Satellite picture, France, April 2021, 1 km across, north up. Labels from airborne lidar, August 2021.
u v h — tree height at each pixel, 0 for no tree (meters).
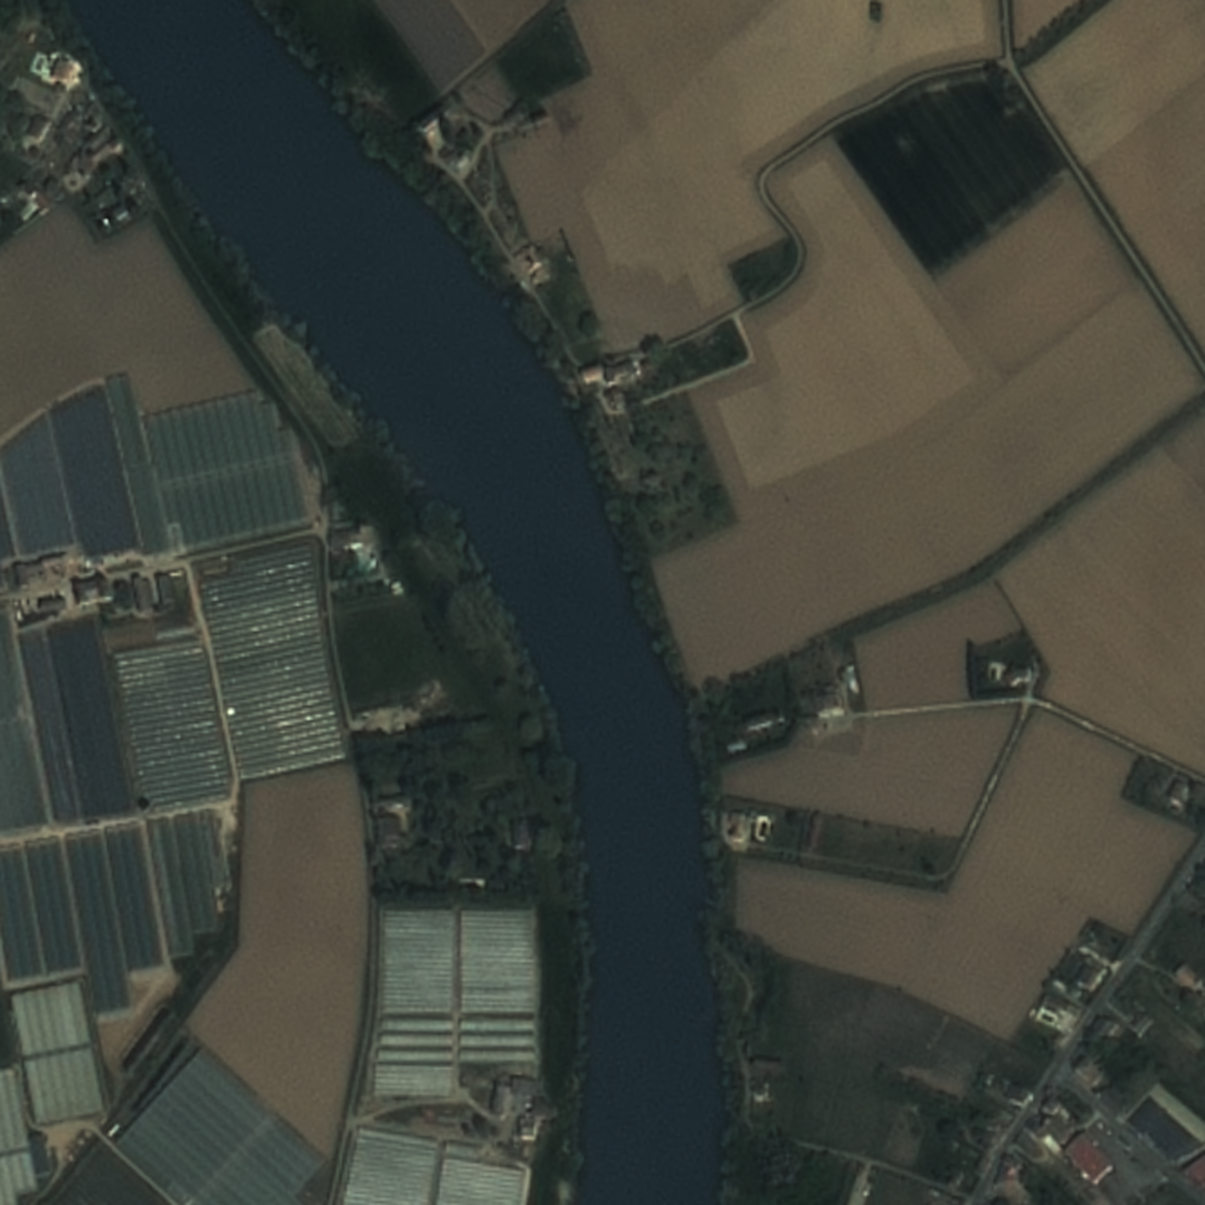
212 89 0
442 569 28
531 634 0
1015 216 0
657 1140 0
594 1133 0
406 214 0
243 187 0
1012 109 0
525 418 0
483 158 0
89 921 0
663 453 14
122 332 0
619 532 8
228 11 0
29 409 0
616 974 0
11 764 0
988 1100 0
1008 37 0
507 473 0
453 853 7
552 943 0
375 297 0
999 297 0
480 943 0
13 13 13
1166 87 0
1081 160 0
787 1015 0
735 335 0
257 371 0
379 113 8
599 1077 0
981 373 0
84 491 0
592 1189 0
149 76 0
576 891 14
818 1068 0
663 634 13
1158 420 0
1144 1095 0
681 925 0
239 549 0
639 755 0
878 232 0
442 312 0
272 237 0
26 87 0
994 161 0
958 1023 0
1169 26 0
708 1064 0
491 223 0
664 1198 0
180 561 0
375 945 0
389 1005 0
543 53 0
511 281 6
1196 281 0
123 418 0
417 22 0
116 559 0
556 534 0
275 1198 0
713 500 7
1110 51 0
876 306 0
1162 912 0
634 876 0
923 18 0
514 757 0
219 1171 0
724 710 6
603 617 0
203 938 0
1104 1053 12
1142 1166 0
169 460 0
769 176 0
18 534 0
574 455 0
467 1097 0
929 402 0
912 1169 0
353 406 17
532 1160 0
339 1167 0
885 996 0
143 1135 0
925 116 0
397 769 13
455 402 0
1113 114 0
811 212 0
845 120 0
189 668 0
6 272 0
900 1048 0
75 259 0
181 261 0
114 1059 0
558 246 0
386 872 9
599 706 0
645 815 0
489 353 0
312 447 0
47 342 0
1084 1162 0
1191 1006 11
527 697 12
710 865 9
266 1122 0
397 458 9
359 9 0
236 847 0
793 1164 8
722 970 12
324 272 0
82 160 0
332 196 0
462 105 12
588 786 0
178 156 0
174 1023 0
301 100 0
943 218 0
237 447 0
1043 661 6
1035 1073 0
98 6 0
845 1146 0
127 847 0
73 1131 0
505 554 0
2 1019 0
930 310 0
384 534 0
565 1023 0
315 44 6
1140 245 0
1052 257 0
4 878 0
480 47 0
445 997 0
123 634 0
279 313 17
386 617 0
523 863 18
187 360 0
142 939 0
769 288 6
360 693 0
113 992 0
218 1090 0
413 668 0
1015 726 0
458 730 18
